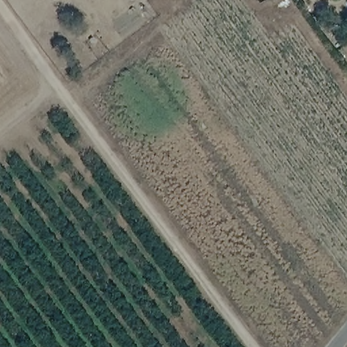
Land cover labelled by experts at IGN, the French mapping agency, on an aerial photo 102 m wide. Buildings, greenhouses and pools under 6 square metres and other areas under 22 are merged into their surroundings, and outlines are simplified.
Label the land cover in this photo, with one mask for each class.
<instances>
[{"label":"agricultural land","instance_id":"1","mask_svg":"<svg viewBox=\"0 0 347 347\"><path fill-rule=\"evenodd\" d=\"M152 5L155 16L149 18V22L142 24L137 31L111 47L94 62L81 68L80 79L70 80L64 84L72 99L83 108L100 136L125 164L131 178L136 180L138 187L155 206L157 213H160L172 232L179 237L180 243L190 253L191 258L205 272L211 285L216 287L218 294L228 302L230 309L239 317L249 335L260 347H347V72L336 64L310 24L301 15L300 9L291 0H146ZM42 73L24 50L11 26L0 15V115L5 113L7 108H12V103L16 99L28 94H38L39 76Z\"/></svg>","mask_w":347,"mask_h":347},{"label":"deciduous trees","instance_id":"2","mask_svg":"<svg viewBox=\"0 0 347 347\"><path fill-rule=\"evenodd\" d=\"M58 22L72 31V34L83 35L88 30V24L84 22L83 12L73 5L58 3ZM317 18L316 26L327 35L333 46L339 47V43L347 46V19L340 18V12L329 4L321 9ZM50 43L60 56L65 58L66 75L70 80L80 79L81 68L68 39L54 33ZM47 119L68 144L80 137V131L75 121L69 117L68 111L54 107L47 111ZM41 141L54 156L58 157L64 172L68 173L72 183L83 191L85 201L91 205L84 209L68 188L58 194L61 201L80 221L81 229L88 234L96 248L100 249L103 259L110 264L111 271L129 290L133 300L140 305L142 312L159 329L171 347H188L169 321L182 313L176 297L184 298L199 324L220 347H245L224 317L209 301L202 298L201 290L188 274L186 267L176 258L163 237L153 228L144 211L136 205L129 192L115 178L113 171L94 148H80L77 153L85 168L91 171L92 178L102 188L104 195L117 207L142 244L137 247L131 241L125 230L118 225L114 214H111L102 199L96 195L94 188L85 182L84 176L77 171L72 160L54 145L49 131H41ZM8 167H3L0 163V347H161L159 339L153 336L144 321L138 317L136 310L126 301L125 294L118 289L114 281L107 278L96 253L81 239L73 222L60 206L56 205V201L50 197L43 184L39 183L33 169L28 167L19 153L15 150L9 152ZM15 179L22 182L31 197L42 207L49 217L47 220L43 221L33 206H27V199L16 188ZM31 161L41 168L43 178L52 180L56 173L52 164L33 150L30 153Z\"/></svg>","mask_w":347,"mask_h":347},{"label":"herbaceous vegetation","instance_id":"3","mask_svg":"<svg viewBox=\"0 0 347 347\"><path fill-rule=\"evenodd\" d=\"M11 14L22 24L28 37L33 39L39 52L49 62L54 75L64 84L70 80L66 75L65 58L60 56L50 43L54 33L68 39L81 68L94 62L111 47L137 31L142 24L149 22V18L155 16L152 5L146 0H3ZM58 3L73 5L83 12L84 22L88 24V30L83 35L72 34V31L58 22ZM310 15L317 18L321 9L329 4L340 12V18L347 19V0H304ZM54 107L49 99L43 100L33 117L20 121L7 133L0 134V163L3 167H8L9 152L15 150L19 153L28 167L33 169L39 183L43 184L50 197L56 201V205L60 206L73 222L81 239L96 253L107 278L114 281L118 289L125 294L126 301L136 310L138 317L144 321L153 336L159 339L161 347H171L159 329L142 312L140 305L133 300L129 290L111 271L110 264L103 259L100 249L96 248L88 234L81 229L80 221L61 201L58 194L68 188L84 209L91 205L85 201L83 191L72 183L68 173L64 172L58 157L54 156L41 141V131H49L54 145L72 160L77 171L84 176L85 182L94 188L96 195L102 199L111 214H114L118 225L125 230L131 241L137 247L142 244L117 207L104 195L102 188L92 178L91 171L85 168L77 153L80 148H94L88 134L80 131V137L68 144L47 119V111ZM33 150L52 164L56 173L52 180L43 178L41 168L31 161L30 153ZM16 188L27 199V206H33L43 221L47 220L49 217L42 207L31 197L22 182L15 179ZM182 313L169 321L188 347H220L199 324L184 298L176 297Z\"/></svg>","mask_w":347,"mask_h":347},{"label":"pervious surface","instance_id":"4","mask_svg":"<svg viewBox=\"0 0 347 347\"><path fill-rule=\"evenodd\" d=\"M0 15L11 26L24 50L42 73L39 76L38 94H28L16 99L12 103V108H7L5 113L0 115V134L7 133L20 121L33 117L43 100L49 99L54 107L68 111L69 117L75 121L80 131L88 134L94 148L113 171L115 178L129 192L136 205L144 211L153 228L163 237L176 258L186 267L188 274L201 290L202 298L209 301L224 317L245 347H260L249 335L239 317L230 309L228 302L218 294L216 287L211 285L205 272L191 258L190 253L180 243L179 237L172 232L160 213H157L155 206L138 187L136 180L131 178L125 164L100 136L83 108L72 99L64 84L54 75L49 62L39 52L33 39L28 37L22 24L11 14L3 0H0Z\"/></svg>","mask_w":347,"mask_h":347},{"label":"brushwood","instance_id":"5","mask_svg":"<svg viewBox=\"0 0 347 347\"><path fill-rule=\"evenodd\" d=\"M300 9L301 15L310 24L336 64L347 72V46L339 43V47L333 46L327 35L316 26L317 18L310 15L304 0H291Z\"/></svg>","mask_w":347,"mask_h":347}]
</instances>
